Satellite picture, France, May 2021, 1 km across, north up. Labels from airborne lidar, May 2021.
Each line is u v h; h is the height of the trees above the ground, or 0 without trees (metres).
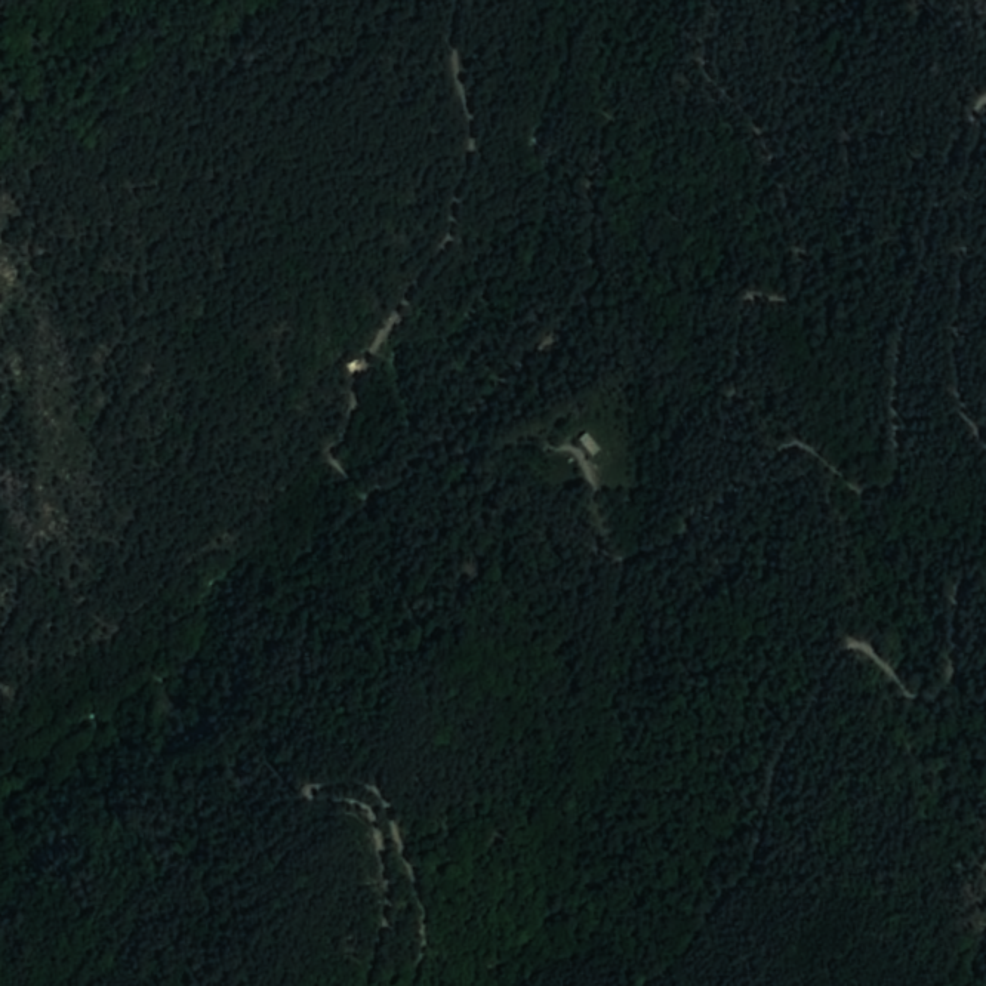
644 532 25
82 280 21
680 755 28
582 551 27
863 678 17
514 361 28
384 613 30
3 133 22
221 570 23
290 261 15
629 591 37
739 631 28
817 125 21
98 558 22
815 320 27
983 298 23
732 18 19
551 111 21
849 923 8
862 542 17
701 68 16
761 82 23
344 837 26
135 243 17
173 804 20
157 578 14
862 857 18
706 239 21
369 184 25
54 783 28
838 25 17
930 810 18
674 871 24
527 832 25
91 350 23
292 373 16
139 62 25
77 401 20
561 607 39
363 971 24
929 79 25
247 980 13
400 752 26
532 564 26
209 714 14
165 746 15
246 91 24
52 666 10
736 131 8
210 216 18
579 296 30
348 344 19
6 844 27
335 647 32
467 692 30
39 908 20
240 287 21
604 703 28
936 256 22
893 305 21
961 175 23
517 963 24
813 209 22
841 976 9
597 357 28
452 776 31
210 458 15
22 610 23
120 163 21
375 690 24
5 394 16
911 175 23
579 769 35
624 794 27
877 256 26
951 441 22
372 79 26
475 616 30
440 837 30
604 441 0
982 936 15
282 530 23
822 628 22
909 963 8
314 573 29
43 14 21
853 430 34
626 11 25
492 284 22
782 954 18
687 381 31
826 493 21
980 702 25
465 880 22
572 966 20
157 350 22
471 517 30
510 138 20
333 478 28
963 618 26
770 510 33
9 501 19
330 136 18
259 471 21
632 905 14
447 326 24
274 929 23
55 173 19
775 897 17
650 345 30
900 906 12
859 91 27
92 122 23
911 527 25
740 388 29
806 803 20
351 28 15
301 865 20
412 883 28
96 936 23
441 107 20
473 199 23
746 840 26
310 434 27
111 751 22
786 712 32
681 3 23
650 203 32
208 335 32
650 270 27
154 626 21
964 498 23
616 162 22
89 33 26
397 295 8
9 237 24
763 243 28
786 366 29
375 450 21
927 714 27
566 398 26
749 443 31
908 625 23
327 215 19
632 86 20
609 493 21
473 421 32
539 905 28
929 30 25
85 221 17
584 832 29
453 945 15
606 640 37
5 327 17
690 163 22
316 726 23
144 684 18
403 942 24
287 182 20
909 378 16
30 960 23
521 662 32
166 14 22
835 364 30
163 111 24
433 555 27
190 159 23
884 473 25
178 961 17
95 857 17
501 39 24
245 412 22
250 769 25
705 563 34
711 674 13
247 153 23
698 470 34
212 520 11
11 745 31
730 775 19
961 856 18
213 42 21
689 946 14
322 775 24
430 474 28
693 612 33
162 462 18
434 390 18
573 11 23
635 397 20
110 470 20
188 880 30
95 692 27
